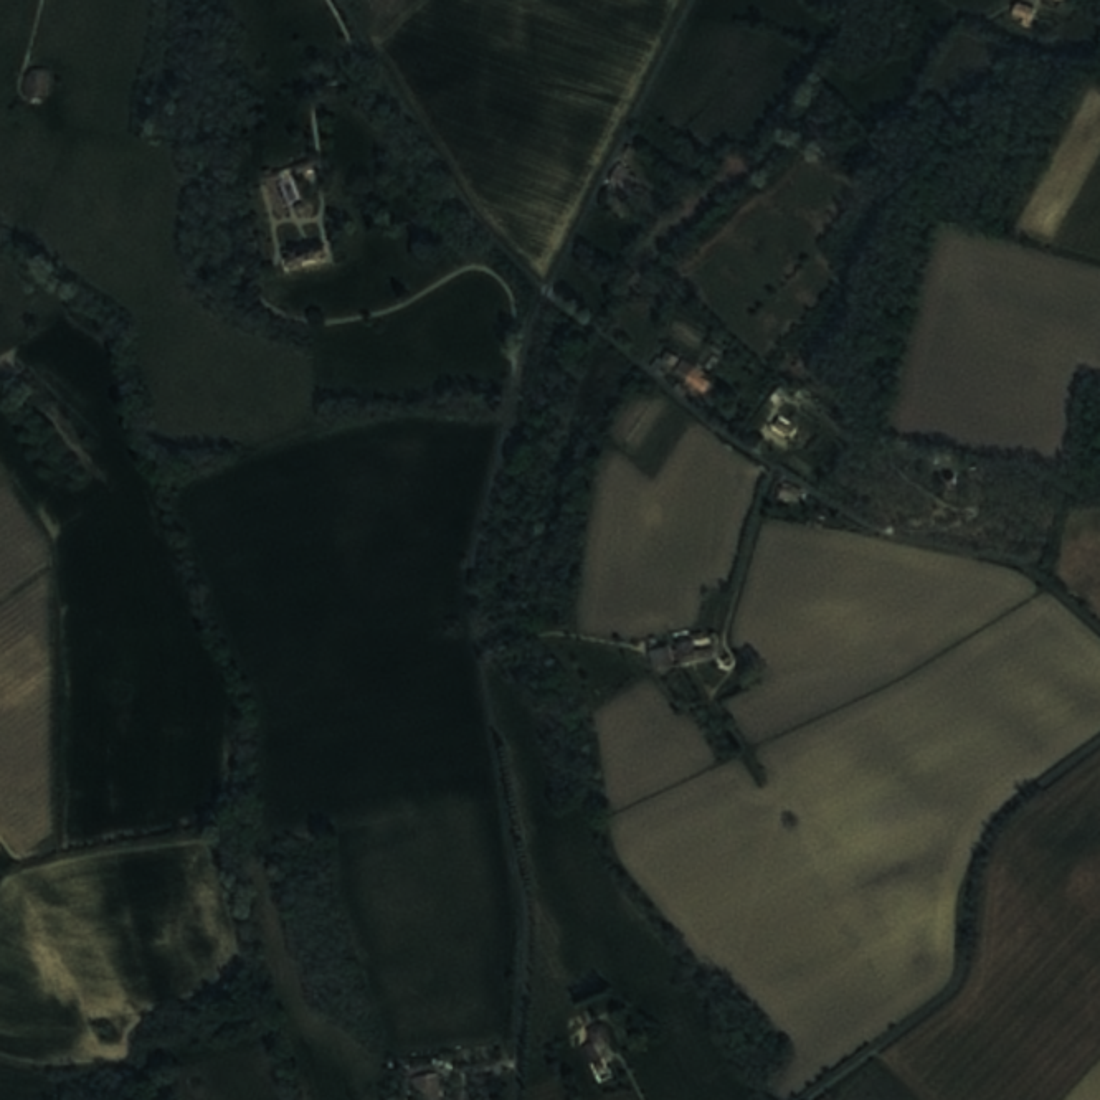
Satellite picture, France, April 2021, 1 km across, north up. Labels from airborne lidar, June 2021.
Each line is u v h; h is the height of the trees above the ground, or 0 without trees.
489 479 0
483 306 0
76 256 0
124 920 0
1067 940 0
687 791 0
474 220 21
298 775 0
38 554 0
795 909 0
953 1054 0
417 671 0
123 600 0
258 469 0
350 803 0
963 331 0
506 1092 6
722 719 8
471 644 0
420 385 0
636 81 0
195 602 22
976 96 25
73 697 0
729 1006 26
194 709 0
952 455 19
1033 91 19
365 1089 0
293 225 0
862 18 20
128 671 0
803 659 0
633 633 0
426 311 0
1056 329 0
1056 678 0
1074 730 0
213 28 15
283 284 0
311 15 0
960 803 0
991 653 0
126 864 0
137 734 0
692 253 18
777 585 0
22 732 0
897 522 8
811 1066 0
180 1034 17
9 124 0
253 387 0
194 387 0
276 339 15
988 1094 0
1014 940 0
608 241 0
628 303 14
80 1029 0
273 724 0
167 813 0
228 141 17
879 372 10
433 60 0
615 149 0
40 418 18
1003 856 0
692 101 0
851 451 20
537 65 0
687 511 0
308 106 21
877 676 0
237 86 19
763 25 21
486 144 0
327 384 0
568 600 25
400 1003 0
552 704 23
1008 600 0
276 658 0
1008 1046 0
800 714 0
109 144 0
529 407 12
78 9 0
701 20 0
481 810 0
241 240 17
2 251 11
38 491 0
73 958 0
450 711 0
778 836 0
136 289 0
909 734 0
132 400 17
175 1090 16
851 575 0
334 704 0
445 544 0
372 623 0
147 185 0
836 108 18
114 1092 18
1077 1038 0
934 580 0
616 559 0
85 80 0
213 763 0
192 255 15
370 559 0
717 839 0
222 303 16
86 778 0
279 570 0
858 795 0
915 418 0
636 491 0
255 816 20
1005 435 0
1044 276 0
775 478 7
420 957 0
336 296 0
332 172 11
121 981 0
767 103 0
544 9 0
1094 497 23
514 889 0
